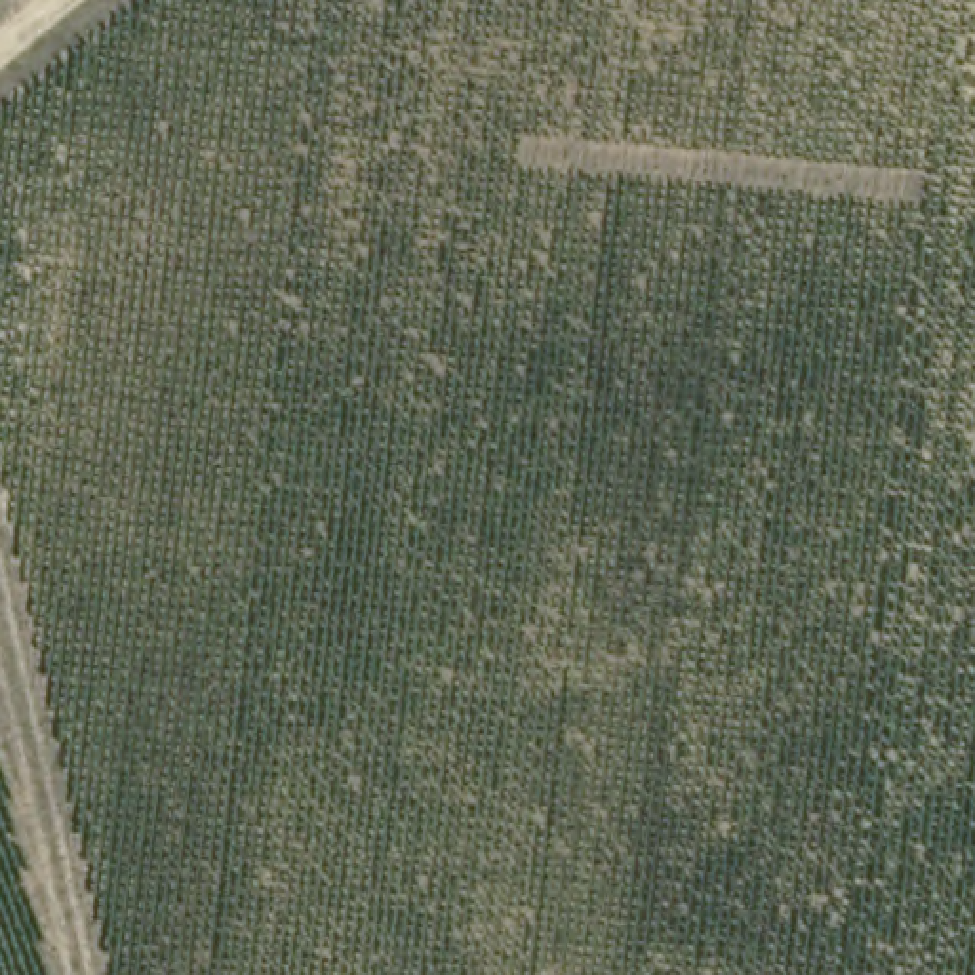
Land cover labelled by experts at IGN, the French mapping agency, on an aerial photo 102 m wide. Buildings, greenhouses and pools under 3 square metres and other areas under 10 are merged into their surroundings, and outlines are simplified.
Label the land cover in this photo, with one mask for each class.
<instances>
[{"label":"vineyard","instance_id":"1","mask_svg":"<svg viewBox=\"0 0 975 975\"><path fill-rule=\"evenodd\" d=\"M0 484L8 491L11 514V556L19 560L15 579L27 587V617L34 621L30 644L38 651V674L46 678V712L50 735L57 743V769L65 777L69 826L80 838L84 891L91 895V922H99V952L107 956L103 975H975V0H129L118 11H110V19L88 23L69 42L65 61L34 69L23 84V95L0 99ZM27 857L15 842L11 792L0 769V975H50L42 960V925L23 887Z\"/></svg>","mask_w":975,"mask_h":975},{"label":"herbaceous vegetation","instance_id":"2","mask_svg":"<svg viewBox=\"0 0 975 975\"><path fill-rule=\"evenodd\" d=\"M129 0H84L0 69V99L23 95V84L34 69L65 61L69 42L88 23L110 19V11H118ZM19 560L11 556V514L8 491L0 484V769L11 792L15 842L27 857L23 887L42 925V960L50 975H103L107 956L99 952V922H91V895L84 891L80 838L69 826L65 777L57 769V743L50 735L46 712V678L38 674V651L30 644L34 621L27 617V587L15 579Z\"/></svg>","mask_w":975,"mask_h":975},{"label":"pervious surface","instance_id":"3","mask_svg":"<svg viewBox=\"0 0 975 975\"><path fill-rule=\"evenodd\" d=\"M84 0H0V69Z\"/></svg>","mask_w":975,"mask_h":975}]
</instances>
